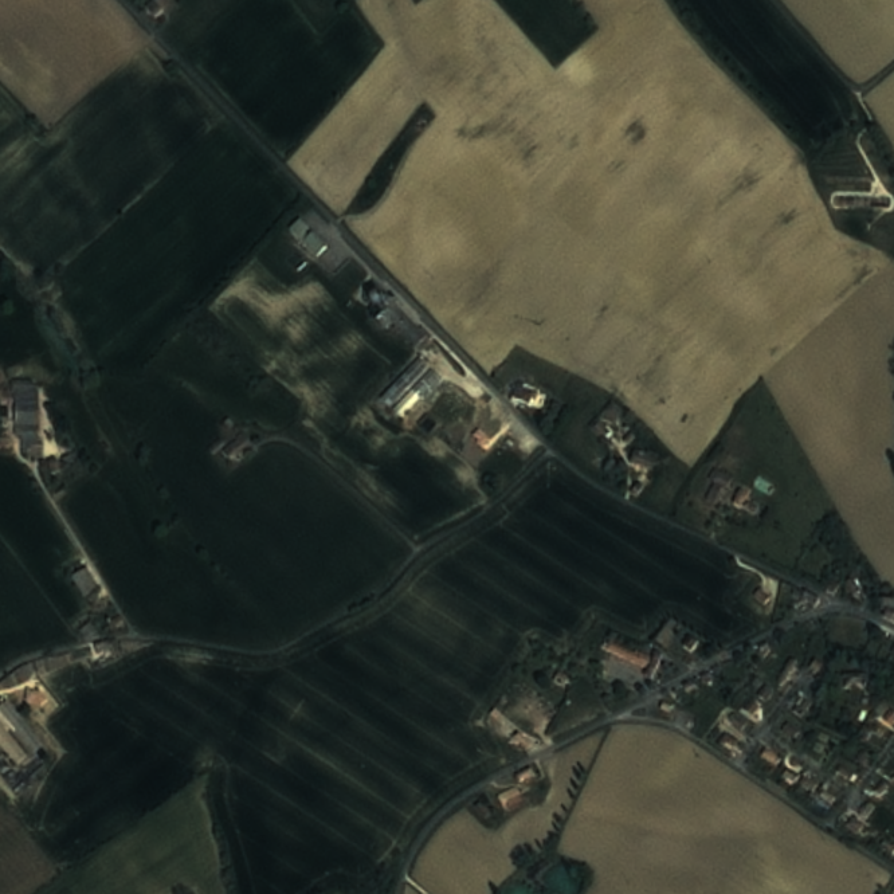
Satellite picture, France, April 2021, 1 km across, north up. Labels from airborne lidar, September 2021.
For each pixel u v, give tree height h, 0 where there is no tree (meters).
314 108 0
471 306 0
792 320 0
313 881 0
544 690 13
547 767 0
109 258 0
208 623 0
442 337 0
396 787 0
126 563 0
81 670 0
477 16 0
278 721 0
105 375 7
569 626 0
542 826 0
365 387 0
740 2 0
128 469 0
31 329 0
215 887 0
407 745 0
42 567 0
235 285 0
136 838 0
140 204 0
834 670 13
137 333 0
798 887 0
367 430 0
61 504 0
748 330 0
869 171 0
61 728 0
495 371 8
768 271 0
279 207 0
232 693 0
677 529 0
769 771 7
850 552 16
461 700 0
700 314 0
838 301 0
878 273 0
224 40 0
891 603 0
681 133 0
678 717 0
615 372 0
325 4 0
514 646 0
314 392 0
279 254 0
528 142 0
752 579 0
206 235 0
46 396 0
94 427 0
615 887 0
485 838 0
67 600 0
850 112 0
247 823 0
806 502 0
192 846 0
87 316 0
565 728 0
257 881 0
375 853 0
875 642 12
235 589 0
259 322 0
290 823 0
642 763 0
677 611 0
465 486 0
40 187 0
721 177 0
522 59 0
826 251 0
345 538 0
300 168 0
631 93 0
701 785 0
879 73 0
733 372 0
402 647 0
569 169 0
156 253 0
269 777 0
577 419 0
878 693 16
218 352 13
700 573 0
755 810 0
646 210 0
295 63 0
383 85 0
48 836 0
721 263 0
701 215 0
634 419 12
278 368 0
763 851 0
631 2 0
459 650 0
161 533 13
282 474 0
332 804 0
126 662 0
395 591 0
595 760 0
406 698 0
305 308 0
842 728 10
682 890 0
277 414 0
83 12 0
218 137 0
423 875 0
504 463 0
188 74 0
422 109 0
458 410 0
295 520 0
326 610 0
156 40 0
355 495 0
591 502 0
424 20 0
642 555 0
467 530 0
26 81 0
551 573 0
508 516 0
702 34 7
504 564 0
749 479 0
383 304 0
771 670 0
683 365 0
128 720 0
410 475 0
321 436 0
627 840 0
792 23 0
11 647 0
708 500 7
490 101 0
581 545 0
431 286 0
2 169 0
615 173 0
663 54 0
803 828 0
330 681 0
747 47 0
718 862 0
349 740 0
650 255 0
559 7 0
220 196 0
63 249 0
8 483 0
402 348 0
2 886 0
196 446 0
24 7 0
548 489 0
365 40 0
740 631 0
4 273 23
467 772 0
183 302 0
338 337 0
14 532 0
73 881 0
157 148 0
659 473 0
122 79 0
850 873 0
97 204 0
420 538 0
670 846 0
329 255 0
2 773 0
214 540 0
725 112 0
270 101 0
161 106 0
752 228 0
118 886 0
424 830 0
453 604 0
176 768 0
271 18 0
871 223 0
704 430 0
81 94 0
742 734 0
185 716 0
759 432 0
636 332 0
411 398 0
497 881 0
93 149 0
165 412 0
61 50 0
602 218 0
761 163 0
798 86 0
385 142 0
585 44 0
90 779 0
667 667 8
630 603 0
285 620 0
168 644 0
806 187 0
